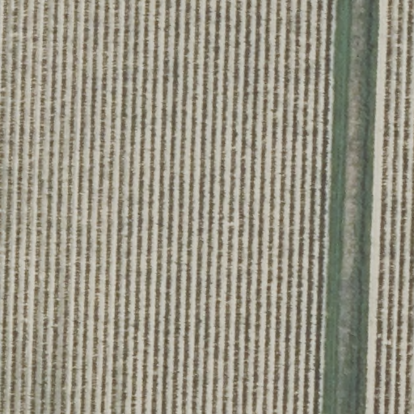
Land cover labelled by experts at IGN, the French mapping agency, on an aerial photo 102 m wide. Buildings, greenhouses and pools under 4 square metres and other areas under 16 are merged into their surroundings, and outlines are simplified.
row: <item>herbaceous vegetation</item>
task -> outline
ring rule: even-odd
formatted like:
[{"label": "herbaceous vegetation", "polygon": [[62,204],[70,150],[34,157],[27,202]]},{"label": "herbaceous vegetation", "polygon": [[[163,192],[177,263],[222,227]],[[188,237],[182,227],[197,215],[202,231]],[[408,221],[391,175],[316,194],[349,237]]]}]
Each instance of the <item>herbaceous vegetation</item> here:
[{"label": "herbaceous vegetation", "polygon": [[323,414],[374,414],[388,0],[338,0]]}]

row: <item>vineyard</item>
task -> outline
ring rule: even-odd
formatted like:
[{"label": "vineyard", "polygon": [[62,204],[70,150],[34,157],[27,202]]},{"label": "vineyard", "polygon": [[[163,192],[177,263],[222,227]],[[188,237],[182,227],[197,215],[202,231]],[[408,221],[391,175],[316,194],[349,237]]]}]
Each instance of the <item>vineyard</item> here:
[{"label": "vineyard", "polygon": [[414,414],[414,0],[388,0],[374,414]]},{"label": "vineyard", "polygon": [[338,0],[0,0],[0,414],[323,414]]}]

